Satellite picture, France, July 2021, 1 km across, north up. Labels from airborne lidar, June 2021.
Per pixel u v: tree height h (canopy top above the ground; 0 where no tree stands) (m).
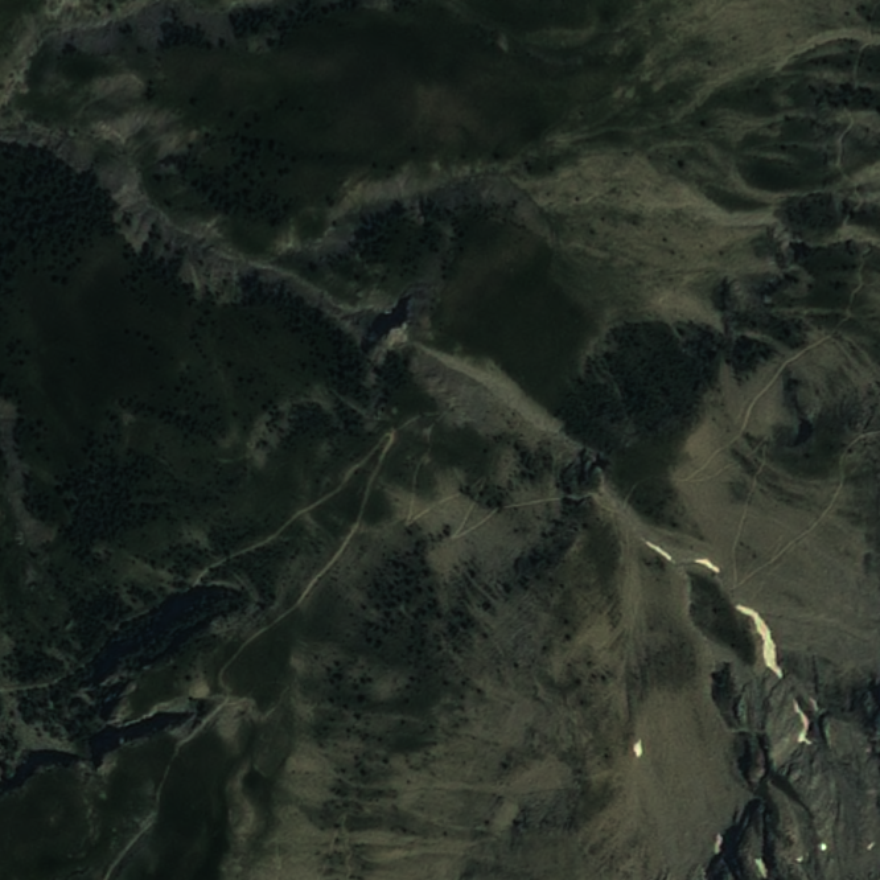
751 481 0
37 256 11
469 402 0
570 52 0
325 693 0
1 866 0
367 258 10
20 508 0
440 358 0
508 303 0
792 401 0
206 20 0
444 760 0
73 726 11
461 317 0
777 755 0
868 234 0
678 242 0
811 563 0
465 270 0
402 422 0
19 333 0
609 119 0
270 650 0
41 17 0
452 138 0
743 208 0
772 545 0
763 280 0
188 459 0
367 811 0
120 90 0
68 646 6
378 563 0
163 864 0
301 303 14
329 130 0
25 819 0
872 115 0
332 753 0
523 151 0
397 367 7
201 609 13
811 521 0
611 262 0
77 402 0
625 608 0
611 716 0
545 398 0
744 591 0
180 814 0
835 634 0
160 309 0
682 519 0
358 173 0
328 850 0
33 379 0
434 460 0
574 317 0
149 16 0
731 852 0
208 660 0
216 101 0
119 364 0
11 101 0
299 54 0
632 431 0
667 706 0
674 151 0
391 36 0
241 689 0
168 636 13
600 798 0
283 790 0
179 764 0
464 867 0
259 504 0
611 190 0
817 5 0
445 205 0
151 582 0
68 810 0
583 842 0
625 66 0
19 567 0
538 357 0
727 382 0
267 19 12
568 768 0
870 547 0
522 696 0
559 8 0
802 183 0
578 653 0
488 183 0
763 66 0
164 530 0
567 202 0
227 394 0
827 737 0
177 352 0
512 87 0
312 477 0
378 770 0
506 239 0
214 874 0
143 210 0
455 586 0
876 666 0
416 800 0
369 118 0
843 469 0
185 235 0
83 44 0
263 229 0
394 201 0
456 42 0
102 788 0
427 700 0
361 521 0
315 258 0
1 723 0
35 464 0
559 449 0
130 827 0
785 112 0
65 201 6
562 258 0
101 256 0
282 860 0
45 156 17
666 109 0
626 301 0
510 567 0
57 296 0
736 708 0
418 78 0
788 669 0
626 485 0
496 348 0
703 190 0
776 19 0
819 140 0
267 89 0
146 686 0
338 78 0
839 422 0
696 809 0
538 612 0
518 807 0
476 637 0
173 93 0
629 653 0
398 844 0
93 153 0
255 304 8
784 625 0
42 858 0
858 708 0
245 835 0
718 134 0
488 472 0
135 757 0
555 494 0
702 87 0
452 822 0
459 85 0
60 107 0
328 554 0
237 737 0
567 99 0
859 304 0
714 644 0
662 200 0
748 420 0
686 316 0
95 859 0
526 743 0
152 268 13
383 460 0
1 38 0
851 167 0
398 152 0
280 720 0
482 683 0
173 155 0
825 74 0
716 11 0
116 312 0
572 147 0
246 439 0
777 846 0
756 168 0
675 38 0
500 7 0
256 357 0
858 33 0
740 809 0
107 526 9
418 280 0
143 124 0
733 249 0
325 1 0
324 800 0
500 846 0
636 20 0
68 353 0
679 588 0
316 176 0
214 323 7
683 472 0
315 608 0
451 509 0
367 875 0
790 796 0
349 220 0
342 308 0
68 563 0
